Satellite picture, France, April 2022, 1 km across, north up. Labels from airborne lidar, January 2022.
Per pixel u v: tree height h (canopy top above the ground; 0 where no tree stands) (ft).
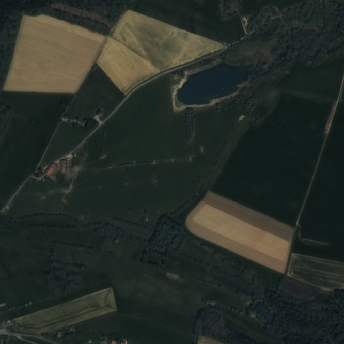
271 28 24
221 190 0
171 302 0
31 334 0
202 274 0
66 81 0
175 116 0
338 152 0
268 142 0
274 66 49
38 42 0
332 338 44
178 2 0
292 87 0
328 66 0
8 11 57
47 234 0
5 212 0
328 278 0
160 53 0
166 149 0
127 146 0
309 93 0
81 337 0
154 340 0
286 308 90
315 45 70
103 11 88
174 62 0
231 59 0
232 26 0
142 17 0
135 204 0
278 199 0
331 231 0
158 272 0
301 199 0
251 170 0
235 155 0
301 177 0
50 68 0
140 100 0
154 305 0
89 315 0
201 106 0
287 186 0
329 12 45
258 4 0
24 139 0
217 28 0
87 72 0
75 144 0
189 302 0
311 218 0
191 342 0
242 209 0
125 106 0
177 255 46
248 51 0
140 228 54
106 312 0
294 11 20
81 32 0
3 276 0
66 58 0
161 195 0
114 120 0
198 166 0
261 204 0
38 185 0
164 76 0
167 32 0
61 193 0
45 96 0
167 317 0
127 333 0
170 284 0
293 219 0
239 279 55
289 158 0
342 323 48
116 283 0
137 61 0
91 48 0
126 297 0
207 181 0
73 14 0
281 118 0
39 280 0
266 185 0
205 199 0
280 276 0
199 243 0
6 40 102
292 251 0
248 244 0
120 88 0
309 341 107
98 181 0
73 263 0
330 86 0
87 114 0
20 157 0
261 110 0
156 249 68
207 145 0
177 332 0
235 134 0
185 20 0
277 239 0
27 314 0
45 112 0
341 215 0
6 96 0
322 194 0
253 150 0
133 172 0
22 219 35
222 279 0
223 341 90
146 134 0
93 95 0
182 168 0
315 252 0
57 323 0
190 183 0
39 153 0
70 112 0
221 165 0
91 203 0
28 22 0
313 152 0
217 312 64
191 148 0
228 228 0
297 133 0
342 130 0
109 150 0
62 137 0
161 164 0
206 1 0
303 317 102
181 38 0
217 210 0
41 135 0
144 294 0
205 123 0
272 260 0
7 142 0
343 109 0
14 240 0
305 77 0
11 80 0
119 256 0
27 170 0
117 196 0
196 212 0
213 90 0
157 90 0
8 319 0
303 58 71
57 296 66
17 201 0
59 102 0
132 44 0
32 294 0
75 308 0
